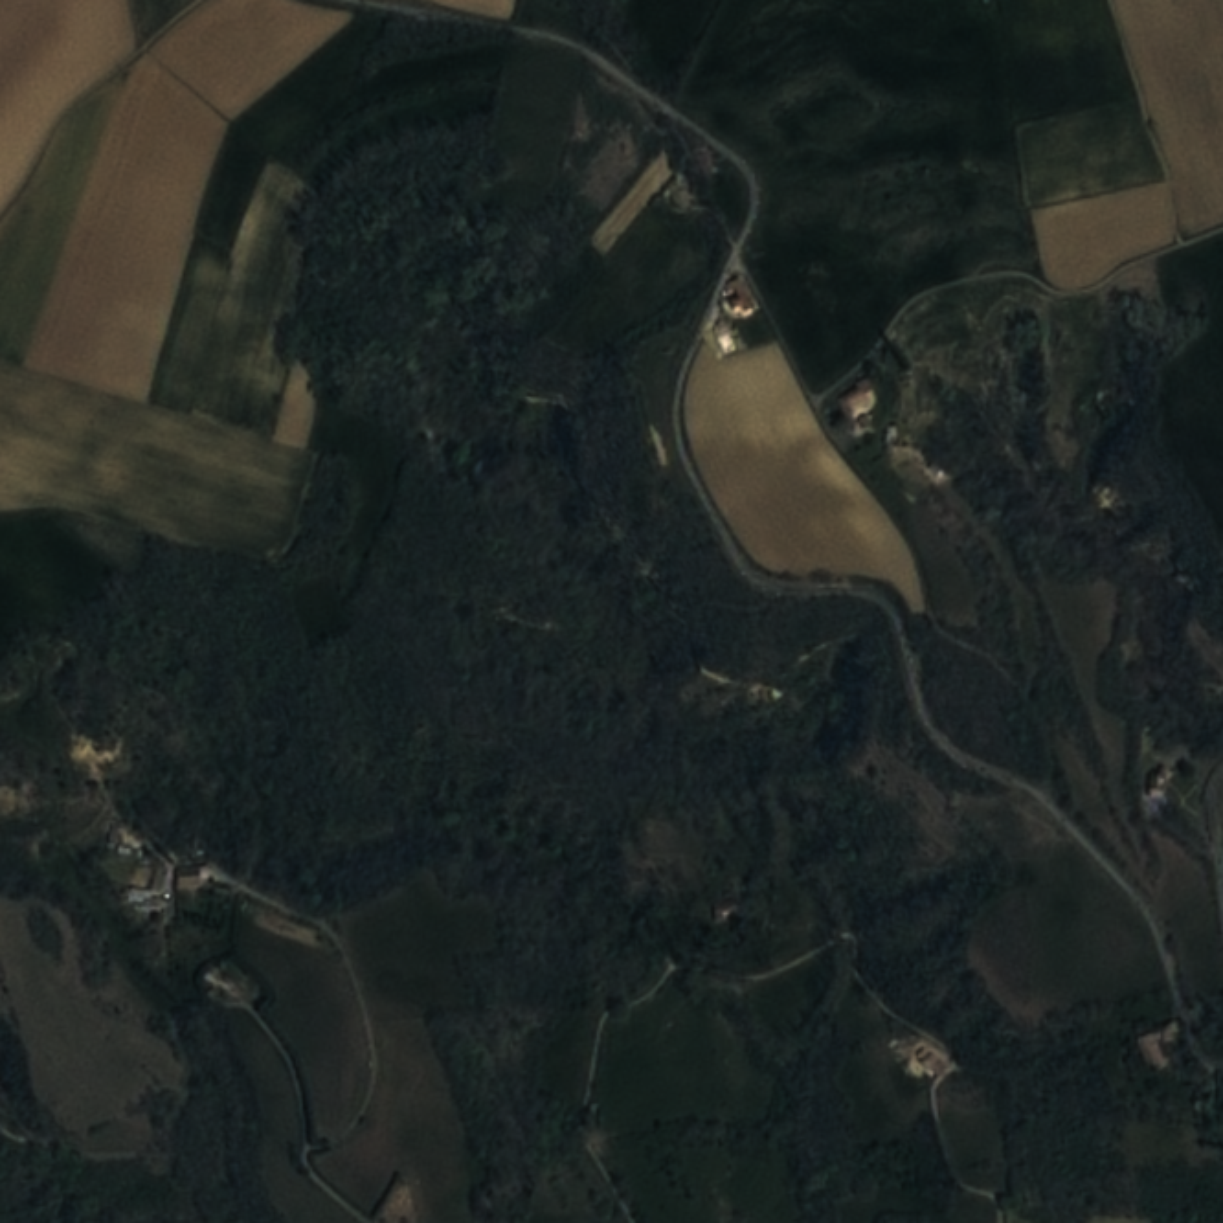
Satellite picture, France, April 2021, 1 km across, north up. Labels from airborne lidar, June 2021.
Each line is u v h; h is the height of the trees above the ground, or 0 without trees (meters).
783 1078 27
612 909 17
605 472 15
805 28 0
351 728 13
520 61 0
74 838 0
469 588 15
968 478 9
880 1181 10
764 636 16
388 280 15
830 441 0
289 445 0
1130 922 0
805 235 0
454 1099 10
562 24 0
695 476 0
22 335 0
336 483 7
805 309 0
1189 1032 9
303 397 0
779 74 0
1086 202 0
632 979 10
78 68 0
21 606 0
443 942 0
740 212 0
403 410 13
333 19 0
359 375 25
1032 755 15
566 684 19
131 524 0
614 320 0
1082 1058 14
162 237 0
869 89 0
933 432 14
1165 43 0
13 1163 20
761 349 0
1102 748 14
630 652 11
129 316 0
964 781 14
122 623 16
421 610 11
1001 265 0
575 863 20
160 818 25
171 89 0
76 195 0
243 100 0
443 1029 16
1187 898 0
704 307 0
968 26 0
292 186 0
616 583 22
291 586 9
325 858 16
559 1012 14
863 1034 0
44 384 0
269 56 0
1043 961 0
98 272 0
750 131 0
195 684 19
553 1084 0
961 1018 19
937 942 11
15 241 0
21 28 0
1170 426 0
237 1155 20
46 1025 0
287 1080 0
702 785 14
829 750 16
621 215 0
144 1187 5
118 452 0
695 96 0
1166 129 0
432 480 13
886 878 8
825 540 0
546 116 0
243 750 24
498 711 20
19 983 0
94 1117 0
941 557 0
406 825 21
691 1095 0
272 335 0
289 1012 0
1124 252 0
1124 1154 0
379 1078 0
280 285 0
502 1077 17
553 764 9
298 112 0
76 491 0
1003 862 15
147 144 0
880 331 0
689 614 16
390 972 0
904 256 0
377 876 18
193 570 11
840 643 40
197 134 0
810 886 30
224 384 0
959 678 10
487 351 31
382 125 0
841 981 35
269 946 0
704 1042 0
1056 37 0
